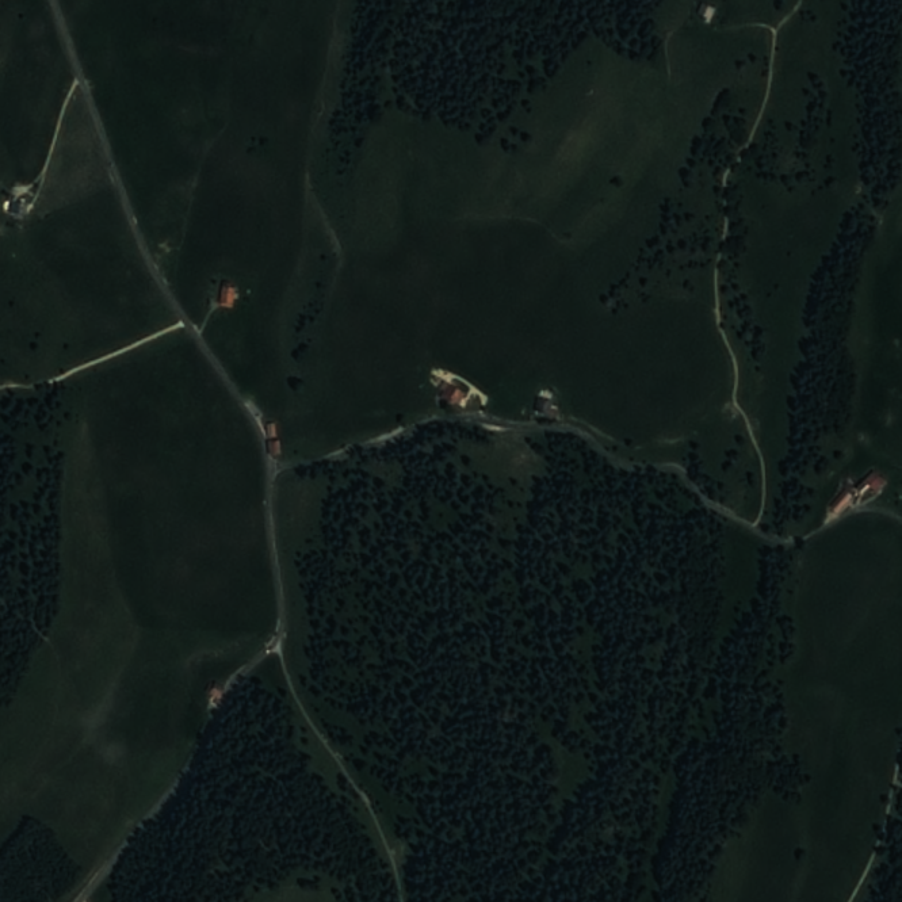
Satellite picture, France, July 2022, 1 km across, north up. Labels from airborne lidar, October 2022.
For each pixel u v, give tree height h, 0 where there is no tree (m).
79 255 0
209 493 0
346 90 7
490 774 23
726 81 0
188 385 0
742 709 19
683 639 25
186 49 0
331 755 0
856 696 0
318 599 18
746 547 0
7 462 23
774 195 0
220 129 0
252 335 0
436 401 0
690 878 19
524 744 21
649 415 0
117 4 0
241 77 0
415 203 0
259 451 0
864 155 10
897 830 20
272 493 0
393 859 0
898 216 0
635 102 0
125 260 0
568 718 22
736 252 12
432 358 0
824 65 0
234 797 28
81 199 0
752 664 17
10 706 18
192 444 0
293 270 0
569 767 0
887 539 0
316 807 23
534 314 0
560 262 0
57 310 0
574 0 28
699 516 20
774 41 0
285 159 0
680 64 0
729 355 0
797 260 0
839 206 0
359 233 0
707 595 22
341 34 0
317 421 0
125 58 0
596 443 0
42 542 22
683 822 27
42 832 12
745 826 12
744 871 0
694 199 0
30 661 20
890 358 0
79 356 0
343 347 0
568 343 0
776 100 0
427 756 18
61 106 0
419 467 28
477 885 14
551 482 14
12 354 0
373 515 13
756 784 21
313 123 0
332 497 8
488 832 28
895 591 0
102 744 0
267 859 17
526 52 16
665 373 0
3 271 0
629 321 0
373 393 0
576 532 25
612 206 0
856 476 0
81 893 0
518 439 0
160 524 0
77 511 0
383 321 0
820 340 11
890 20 18
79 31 0
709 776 24
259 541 0
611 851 24
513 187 0
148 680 0
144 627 0
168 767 0
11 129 0
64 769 0
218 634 0
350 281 0
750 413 0
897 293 0
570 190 0
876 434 0
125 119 0
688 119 0
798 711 0
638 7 24
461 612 24
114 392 0
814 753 0
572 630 22
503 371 0
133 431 0
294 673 0
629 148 0
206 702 0
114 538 0
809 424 18
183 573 0
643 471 22
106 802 0
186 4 0
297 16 0
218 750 24
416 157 0
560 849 28
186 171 0
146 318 0
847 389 21
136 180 0
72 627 0
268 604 0
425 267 0
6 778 0
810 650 0
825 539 0
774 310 0
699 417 0
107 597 0
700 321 0
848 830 0
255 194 0
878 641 0
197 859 18
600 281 0
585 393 0
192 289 0
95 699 0
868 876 0
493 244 0
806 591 0
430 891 25
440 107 22
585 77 0
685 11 0
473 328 0
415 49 28
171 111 0
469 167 0
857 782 0
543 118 0
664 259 9
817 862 0
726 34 0
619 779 23
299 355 11
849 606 0
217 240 0
